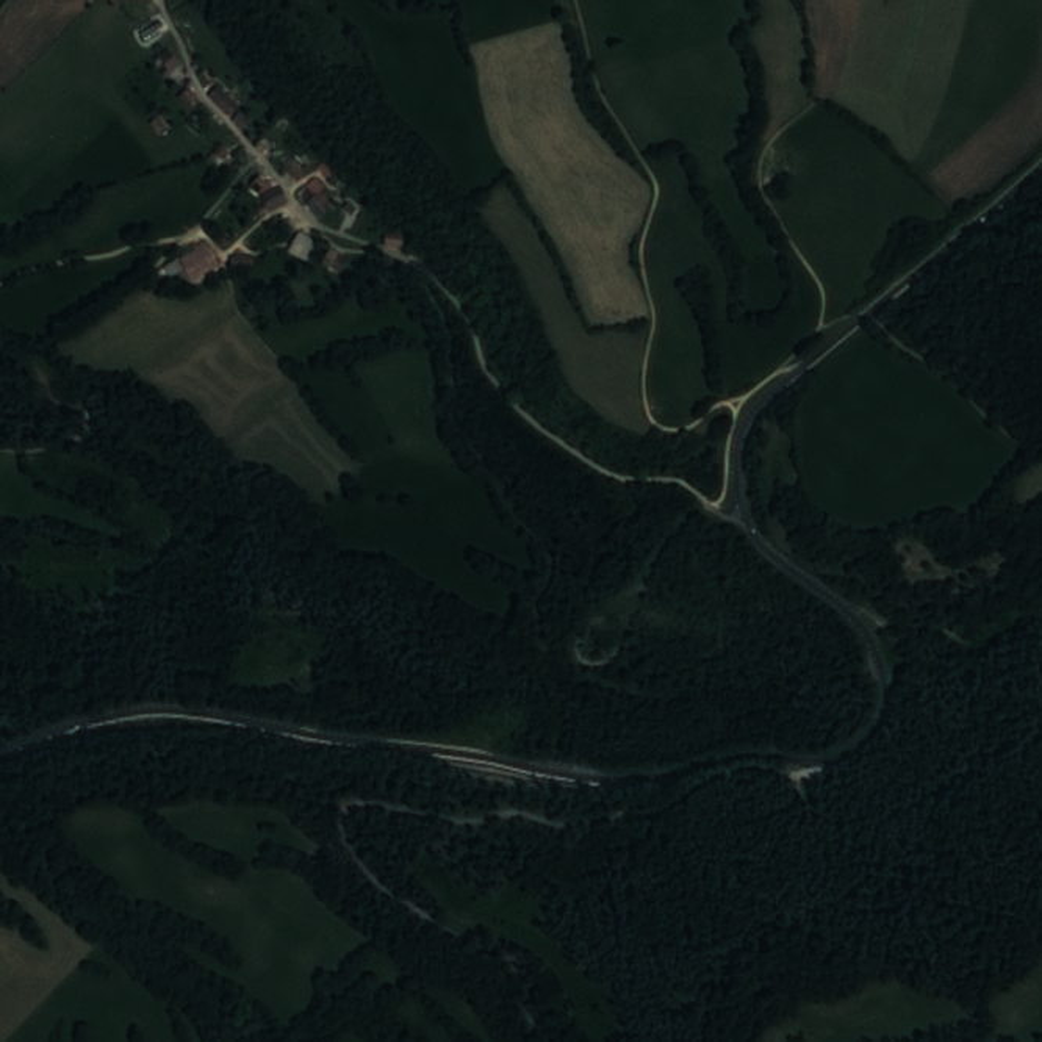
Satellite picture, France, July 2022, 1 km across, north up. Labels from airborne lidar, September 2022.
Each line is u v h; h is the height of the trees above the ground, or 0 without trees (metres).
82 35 0
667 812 21
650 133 0
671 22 0
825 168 0
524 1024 14
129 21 0
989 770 33
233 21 15
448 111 0
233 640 8
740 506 0
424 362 0
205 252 0
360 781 22
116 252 0
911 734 15
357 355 8
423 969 24
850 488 0
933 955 21
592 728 17
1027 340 11
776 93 0
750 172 13
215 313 0
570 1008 22
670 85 0
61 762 19
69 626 17
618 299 0
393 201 19
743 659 17
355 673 10
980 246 20
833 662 14
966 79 0
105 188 8
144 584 17
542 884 13
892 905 17
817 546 11
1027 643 26
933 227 9
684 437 9
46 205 0
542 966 28
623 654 16
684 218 0
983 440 0
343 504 0
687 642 15
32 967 0
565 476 13
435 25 0
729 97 0
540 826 14
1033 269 24
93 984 0
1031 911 20
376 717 17
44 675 14
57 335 22
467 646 21
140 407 26
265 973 0
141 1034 12
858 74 0
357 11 0
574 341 0
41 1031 0
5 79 0
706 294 9
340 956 0
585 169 0
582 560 9
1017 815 20
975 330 11
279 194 0
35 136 0
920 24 0
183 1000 12
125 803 15
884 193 0
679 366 0
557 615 16
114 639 30
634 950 29
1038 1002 0
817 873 25
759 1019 21
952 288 21
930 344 21
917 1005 0
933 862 26
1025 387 18
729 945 25
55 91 0
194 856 12
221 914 0
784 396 13
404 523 0
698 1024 28
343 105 16
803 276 0
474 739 0
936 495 0
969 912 20
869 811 22
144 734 15
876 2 0
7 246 20
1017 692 21
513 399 23
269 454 0
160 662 24
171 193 0
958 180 0
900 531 18
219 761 20
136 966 13
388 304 23
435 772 16
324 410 15
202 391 0
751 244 0
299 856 18
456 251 11
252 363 0
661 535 12
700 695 12
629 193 0
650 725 16
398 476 0
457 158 0
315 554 22
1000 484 16
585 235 0
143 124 0
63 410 7
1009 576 16
